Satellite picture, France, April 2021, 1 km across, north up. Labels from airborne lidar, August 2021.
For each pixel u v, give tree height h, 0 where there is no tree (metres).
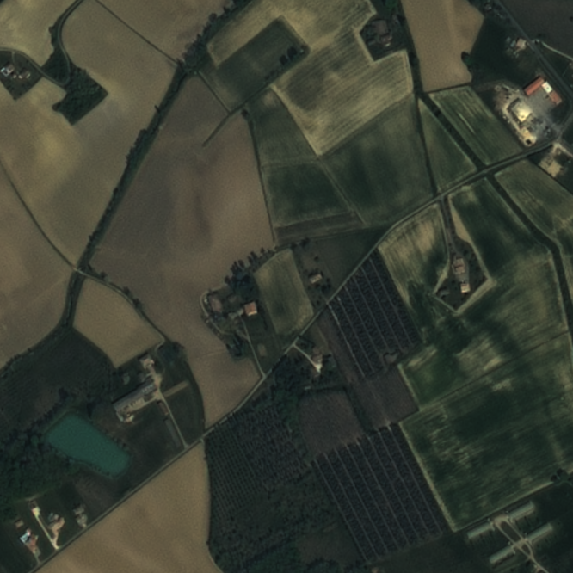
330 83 0
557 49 0
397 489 14
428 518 14
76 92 9
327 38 0
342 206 0
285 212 0
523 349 0
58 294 0
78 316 0
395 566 0
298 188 0
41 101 0
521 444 0
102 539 0
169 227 0
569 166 0
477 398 0
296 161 0
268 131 0
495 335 0
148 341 0
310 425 19
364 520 14
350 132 0
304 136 0
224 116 0
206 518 0
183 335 0
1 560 0
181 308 0
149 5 0
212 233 0
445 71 0
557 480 16
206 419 0
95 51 0
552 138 0
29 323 0
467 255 13
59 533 0
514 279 0
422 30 0
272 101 0
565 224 0
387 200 0
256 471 10
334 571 19
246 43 0
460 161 0
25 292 0
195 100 0
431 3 0
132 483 0
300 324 0
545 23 0
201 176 0
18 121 0
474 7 15
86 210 0
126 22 0
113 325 0
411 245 0
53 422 13
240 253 0
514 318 0
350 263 0
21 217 0
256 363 0
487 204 0
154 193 0
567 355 0
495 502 0
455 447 0
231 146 0
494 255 0
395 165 0
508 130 0
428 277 0
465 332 0
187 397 0
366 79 0
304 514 8
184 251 0
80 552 0
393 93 0
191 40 0
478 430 0
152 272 0
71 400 30
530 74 0
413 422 0
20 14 0
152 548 0
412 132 0
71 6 0
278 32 0
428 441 0
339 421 17
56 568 0
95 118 0
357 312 15
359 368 16
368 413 16
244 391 0
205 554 0
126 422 0
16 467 23
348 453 13
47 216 0
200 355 0
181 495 0
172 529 0
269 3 0
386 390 17
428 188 0
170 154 0
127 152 0
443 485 0
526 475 0
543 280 0
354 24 0
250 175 0
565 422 0
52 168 0
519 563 0
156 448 0
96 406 19
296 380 9
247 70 0
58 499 0
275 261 0
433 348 0
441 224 0
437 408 0
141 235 0
